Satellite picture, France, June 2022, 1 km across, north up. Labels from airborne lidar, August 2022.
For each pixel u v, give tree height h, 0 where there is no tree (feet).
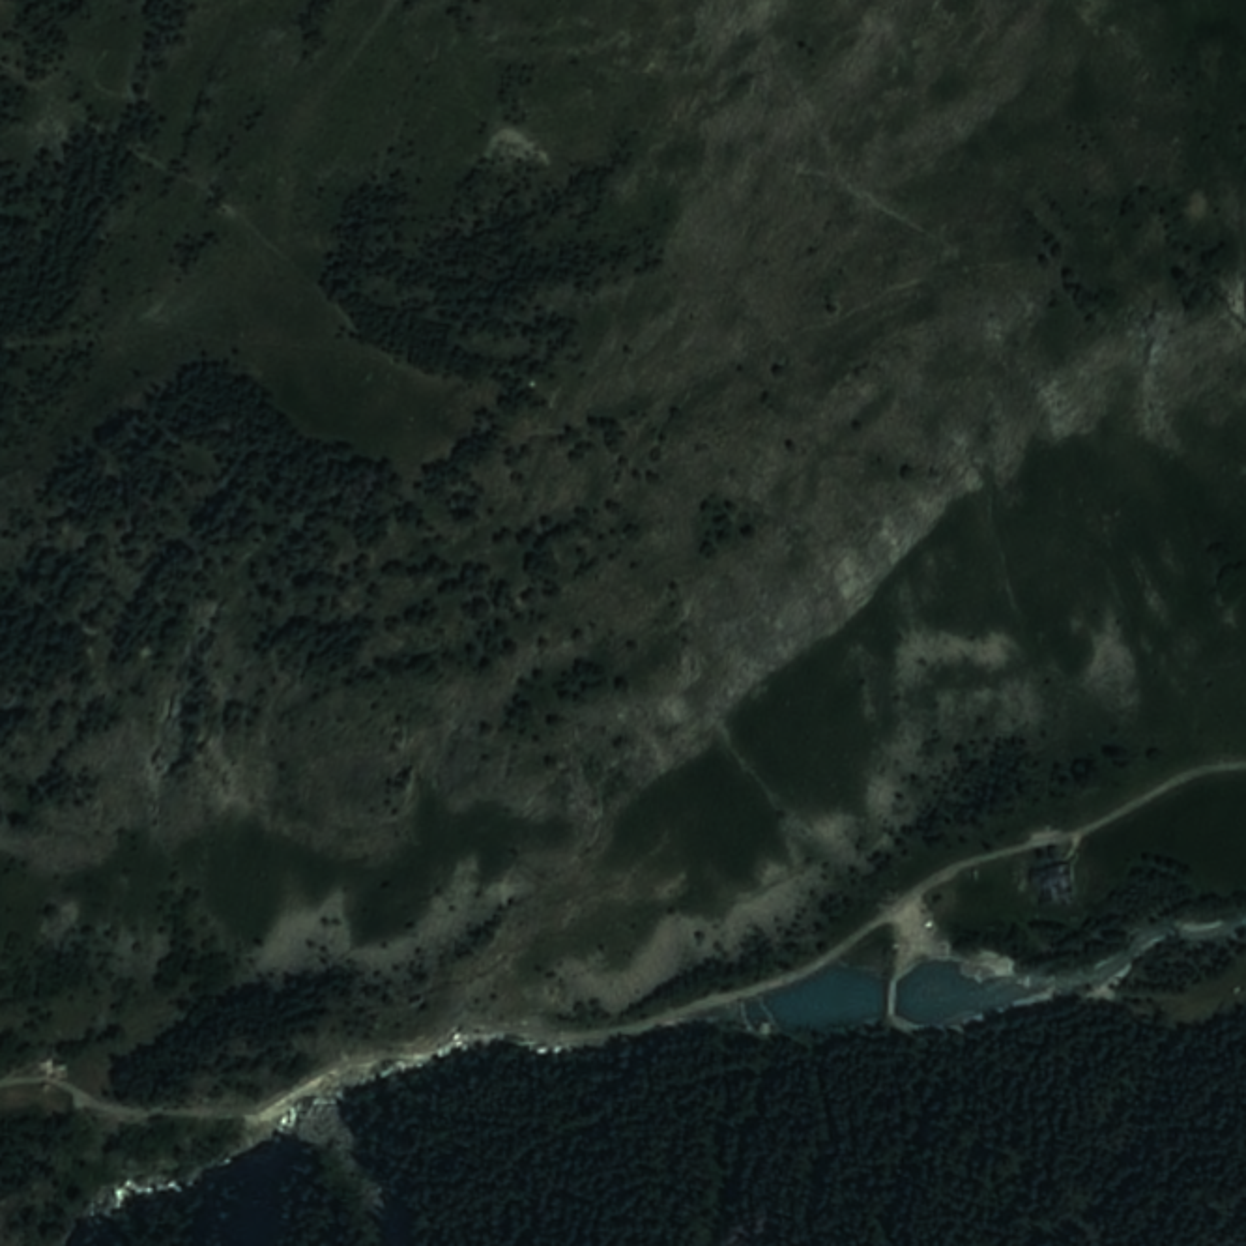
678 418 52
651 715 0
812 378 0
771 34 0
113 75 0
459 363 41
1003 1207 49
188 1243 33
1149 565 0
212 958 33
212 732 40
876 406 0
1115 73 0
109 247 22
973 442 0
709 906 0
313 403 0
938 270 0
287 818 0
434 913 0
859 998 0
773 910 0
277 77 0
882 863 44
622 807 0
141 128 46
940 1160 32
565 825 0
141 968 0
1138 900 39
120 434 98
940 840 81
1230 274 24
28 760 31
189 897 35
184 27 35
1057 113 0
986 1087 80
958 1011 0
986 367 0
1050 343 0
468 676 29
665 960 0
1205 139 31
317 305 0
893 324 0
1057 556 0
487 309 47
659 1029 30
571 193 21
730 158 0
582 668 76
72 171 31
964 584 0
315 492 63
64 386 30
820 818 0
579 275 27
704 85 0
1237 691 0
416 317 36
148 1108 82
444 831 0
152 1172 70
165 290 0
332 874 0
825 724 0
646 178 0
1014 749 52
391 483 61
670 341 0
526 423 0
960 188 0
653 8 0
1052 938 51
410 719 22
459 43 0
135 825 0
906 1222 100
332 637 77
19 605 60
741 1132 37
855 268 0
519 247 20
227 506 75
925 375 0
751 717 0
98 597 24
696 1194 84
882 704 0
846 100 0
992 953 29
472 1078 92
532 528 37
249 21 0
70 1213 61
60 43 34
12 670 80
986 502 0
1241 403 0
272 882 0
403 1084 36
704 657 0
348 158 0
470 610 46
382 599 44
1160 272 0
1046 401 0
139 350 0
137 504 84
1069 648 0
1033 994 0
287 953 0
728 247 0
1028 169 0
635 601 0
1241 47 0
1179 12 0
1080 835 0
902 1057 51
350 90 0
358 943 0
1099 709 0
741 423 0
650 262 25
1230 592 50
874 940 0
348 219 29
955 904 0
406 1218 25
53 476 22
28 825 43
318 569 24
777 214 0
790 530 0
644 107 0
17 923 0
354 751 44
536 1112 82
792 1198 64
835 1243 80
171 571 51
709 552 51
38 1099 0
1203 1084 65
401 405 0
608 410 0
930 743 23
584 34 0
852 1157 76
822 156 0
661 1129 66
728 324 0
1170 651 0
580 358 23
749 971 74
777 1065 57
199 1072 48
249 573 39
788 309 0
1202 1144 70
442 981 0
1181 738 0
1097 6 0
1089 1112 83
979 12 0
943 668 0
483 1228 48
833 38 0
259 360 0
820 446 0
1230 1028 58
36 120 0
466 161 0
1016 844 0
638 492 0
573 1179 93
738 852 0
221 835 0
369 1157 19
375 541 61
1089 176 0
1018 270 0
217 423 78
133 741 0
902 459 0
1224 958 52
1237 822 0
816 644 0
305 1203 102
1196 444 0
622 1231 83
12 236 77
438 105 0
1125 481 0
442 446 0
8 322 45
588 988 0
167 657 29
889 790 0
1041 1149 75
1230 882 0
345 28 0
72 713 19
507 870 0
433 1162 66
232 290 0
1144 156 0
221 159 31
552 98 0
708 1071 98
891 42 0
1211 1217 24
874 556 0
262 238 0
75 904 0
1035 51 24
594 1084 76
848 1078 53
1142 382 0
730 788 0
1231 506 0
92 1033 35
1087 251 0
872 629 0
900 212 0
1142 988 41
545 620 47
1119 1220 78
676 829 0
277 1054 43
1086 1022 47
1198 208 0
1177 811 0
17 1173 41
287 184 0
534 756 0
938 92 0
